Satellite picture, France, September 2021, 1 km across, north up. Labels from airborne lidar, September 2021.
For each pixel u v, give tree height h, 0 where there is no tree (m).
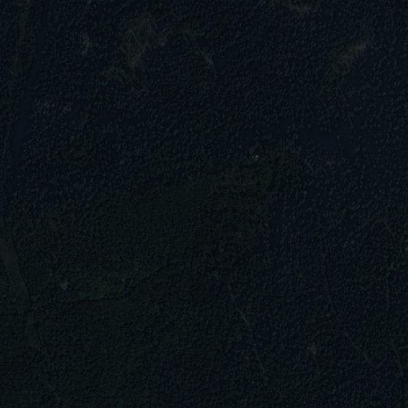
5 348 27
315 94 14
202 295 27
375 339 7
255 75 27
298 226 13
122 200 19
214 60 0
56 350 29
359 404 27
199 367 21
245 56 24
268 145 28
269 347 24
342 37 7
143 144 30
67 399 27
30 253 31
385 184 20
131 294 26
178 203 17
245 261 22
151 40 0
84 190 24
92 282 21
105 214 20
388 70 35
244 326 18
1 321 26
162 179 26
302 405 13
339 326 21
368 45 0
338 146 15
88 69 16
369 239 12
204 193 15
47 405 33
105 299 14
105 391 30
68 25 35
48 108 23
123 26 23
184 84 36
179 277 23
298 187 34
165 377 21
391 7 18
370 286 13
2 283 19
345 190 35
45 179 7
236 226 7
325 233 11
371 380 25
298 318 11
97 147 21
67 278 30
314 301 29
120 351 22
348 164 7
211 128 7
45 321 29
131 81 0
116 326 20
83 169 7
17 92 7
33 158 30
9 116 25
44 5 8
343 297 17
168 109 25
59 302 22
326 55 27
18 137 6
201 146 26
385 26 32
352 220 15
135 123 7
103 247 29
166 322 31
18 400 26
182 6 27
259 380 18
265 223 19
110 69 25
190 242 29
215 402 18
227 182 25
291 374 19
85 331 23
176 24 26
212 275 22
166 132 23
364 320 18
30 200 20
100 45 24
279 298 23
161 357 28
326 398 16
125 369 35
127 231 24
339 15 40
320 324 21
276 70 27
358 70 9
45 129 30
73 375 28
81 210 10
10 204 17
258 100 25
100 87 11
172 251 26
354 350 22
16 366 24
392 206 12
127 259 20
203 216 8
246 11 21
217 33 29
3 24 40
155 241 19
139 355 26
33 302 24
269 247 12
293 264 33
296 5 18
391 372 25
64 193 19
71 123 35
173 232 21
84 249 17
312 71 29
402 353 14
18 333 28
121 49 22
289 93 28
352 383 23
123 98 28
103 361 22
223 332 26
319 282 19
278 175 22
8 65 27
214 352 31
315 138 17
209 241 8
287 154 8
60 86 30
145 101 31
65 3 32
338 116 14
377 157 39
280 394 13
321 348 25
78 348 30
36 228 14
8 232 15
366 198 13
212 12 25
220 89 29
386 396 24
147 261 24
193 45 37
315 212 8
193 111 27
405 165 15
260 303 12
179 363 28
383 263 16
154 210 26
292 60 8
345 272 9
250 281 24
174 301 29
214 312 27
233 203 7
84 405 29
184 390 24
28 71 7
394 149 22
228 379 29
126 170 16
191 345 26
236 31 30
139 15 24
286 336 13
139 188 15
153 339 33
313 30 15
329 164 29
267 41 29
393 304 10
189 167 12
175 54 17
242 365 35
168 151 25
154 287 22
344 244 34
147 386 24
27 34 8
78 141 17
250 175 23
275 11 9
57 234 9
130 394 26
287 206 18
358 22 36
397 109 35
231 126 23
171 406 29
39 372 29
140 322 28
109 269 24
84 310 24
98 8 11
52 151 27
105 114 6
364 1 38
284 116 24
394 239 14
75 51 34
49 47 30
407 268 6
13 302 23
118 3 9
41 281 23
